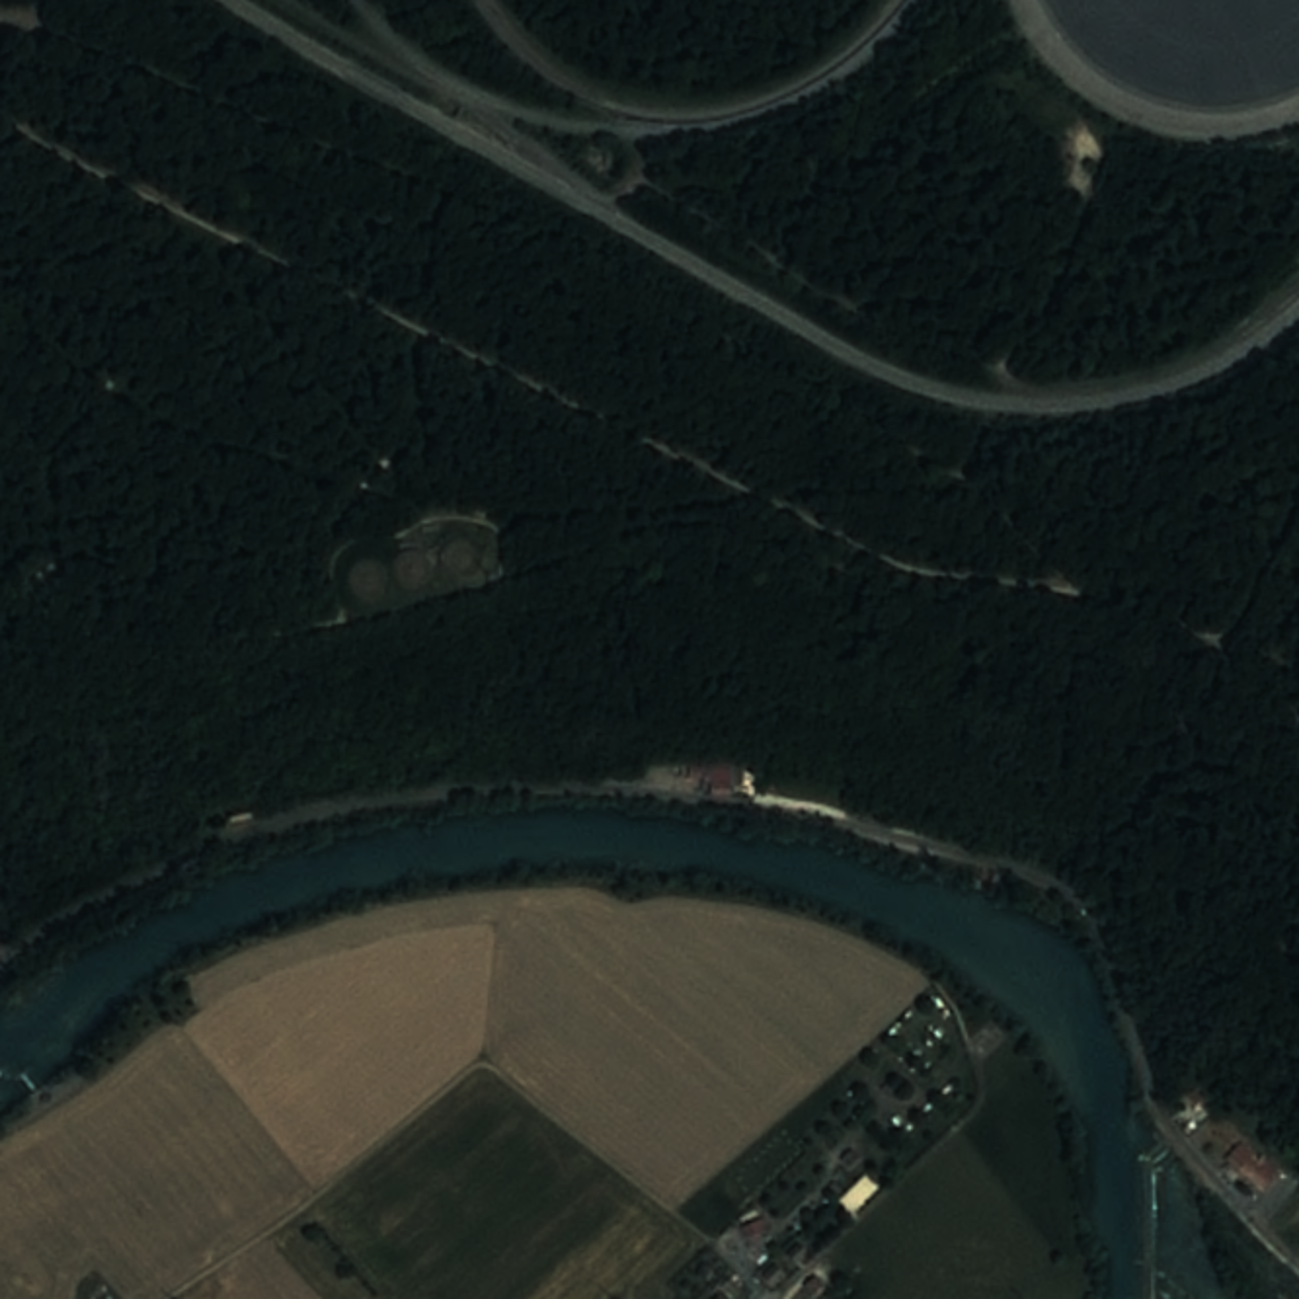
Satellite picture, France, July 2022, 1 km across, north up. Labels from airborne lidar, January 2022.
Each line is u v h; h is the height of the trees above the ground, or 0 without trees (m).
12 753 11
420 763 12
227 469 25
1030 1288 0
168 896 17
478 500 16
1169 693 33
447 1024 0
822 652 21
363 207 25
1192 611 20
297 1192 0
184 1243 0
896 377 0
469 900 0
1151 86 0
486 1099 0
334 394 22
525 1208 0
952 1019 0
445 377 22
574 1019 0
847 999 0
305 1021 0
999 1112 0
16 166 27
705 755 14
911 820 19
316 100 19
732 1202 0
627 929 0
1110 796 28
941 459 17
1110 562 25
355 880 0
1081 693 25
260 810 15
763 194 21
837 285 22
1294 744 24
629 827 0
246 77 29
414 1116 0
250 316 16
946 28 22
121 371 29
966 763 20
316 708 26
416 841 0
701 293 10
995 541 18
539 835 0
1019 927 0
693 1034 0
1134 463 32
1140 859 32
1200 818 23
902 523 24
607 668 20
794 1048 0
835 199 23
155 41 25
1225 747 22
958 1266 0
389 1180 0
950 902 0
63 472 18
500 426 22
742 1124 0
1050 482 35
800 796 0
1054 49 0
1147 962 20
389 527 13
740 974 0
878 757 20
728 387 24
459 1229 0
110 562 24
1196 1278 0
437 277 24
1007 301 23
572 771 19
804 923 0
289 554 10
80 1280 0
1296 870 25
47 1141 0
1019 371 15
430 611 14
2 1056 0
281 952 0
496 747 12
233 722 22
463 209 23
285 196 26
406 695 27
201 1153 0
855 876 0
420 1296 0
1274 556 20
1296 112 0
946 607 16
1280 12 0
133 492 27
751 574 25
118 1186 0
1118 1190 0
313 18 0
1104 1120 0
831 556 24
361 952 0
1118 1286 0
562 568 24
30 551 20
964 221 12
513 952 0
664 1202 0
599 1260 0
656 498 22
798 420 21
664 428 28
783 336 13
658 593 24
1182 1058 24
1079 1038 0
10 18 0
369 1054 0
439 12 25
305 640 10
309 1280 0
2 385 26
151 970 0
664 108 0
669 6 25
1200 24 0
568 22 20
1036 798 14
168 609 20
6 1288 0
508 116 0
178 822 16
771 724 21
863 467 24
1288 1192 0
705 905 0
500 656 16
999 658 14
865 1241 0
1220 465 24
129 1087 0
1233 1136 0
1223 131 0
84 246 26
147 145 22
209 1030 0
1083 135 0
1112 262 17
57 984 0
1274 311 0
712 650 22
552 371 26
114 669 17
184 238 23
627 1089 0
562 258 22
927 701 21
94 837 16
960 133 12
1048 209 24
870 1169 14
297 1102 0
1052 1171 0
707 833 0
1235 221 25
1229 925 16
